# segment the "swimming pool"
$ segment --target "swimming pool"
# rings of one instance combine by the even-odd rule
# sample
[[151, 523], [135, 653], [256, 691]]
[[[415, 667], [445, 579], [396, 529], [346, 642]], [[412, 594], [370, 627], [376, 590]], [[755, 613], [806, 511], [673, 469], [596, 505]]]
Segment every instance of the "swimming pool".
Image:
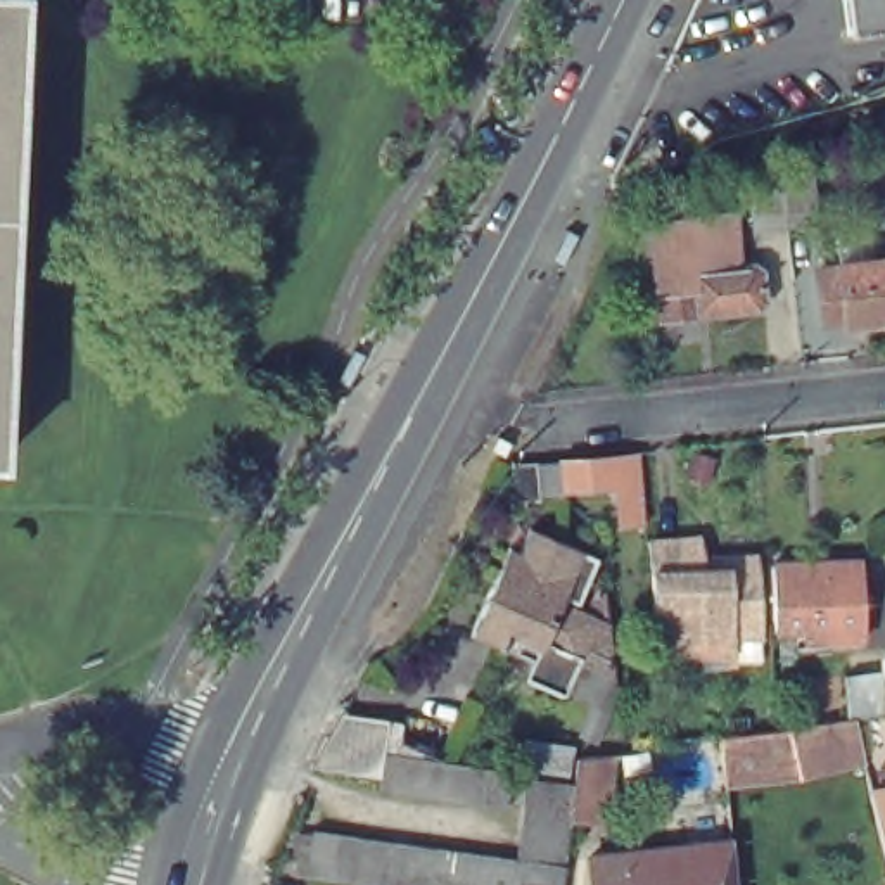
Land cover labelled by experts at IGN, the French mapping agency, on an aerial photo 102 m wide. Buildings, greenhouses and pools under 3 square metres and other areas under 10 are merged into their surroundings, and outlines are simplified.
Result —
[[678, 754], [653, 754], [650, 767], [643, 771], [646, 781], [667, 781], [671, 799], [678, 802], [691, 788], [709, 792], [712, 781], [702, 767]]

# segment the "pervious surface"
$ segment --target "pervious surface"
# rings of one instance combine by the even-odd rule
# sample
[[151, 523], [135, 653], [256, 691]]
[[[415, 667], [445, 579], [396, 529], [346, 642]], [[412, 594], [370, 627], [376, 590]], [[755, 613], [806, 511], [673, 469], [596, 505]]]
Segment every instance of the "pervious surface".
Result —
[[228, 643], [252, 640], [249, 598], [235, 598], [232, 591], [207, 595], [221, 608], [218, 629], [228, 636]]
[[484, 121], [484, 142], [494, 142], [508, 135], [508, 128], [515, 128], [519, 145], [529, 135], [522, 121], [508, 118], [508, 100], [487, 80], [477, 90], [467, 90], [463, 111]]
[[418, 304], [404, 308], [398, 315], [398, 325], [422, 332], [436, 297], [422, 297]]
[[593, 704], [612, 714], [612, 664], [605, 657], [588, 653], [581, 684], [574, 684], [563, 695], [584, 702], [588, 712]]
[[591, 864], [595, 850], [619, 854], [622, 847], [605, 833], [602, 823], [588, 830], [588, 840], [581, 844], [577, 857]]
[[449, 256], [436, 273], [429, 273], [432, 287], [453, 280], [467, 256], [481, 256], [487, 249], [484, 242], [477, 245], [470, 239], [470, 232], [487, 232], [487, 221], [498, 221], [508, 235], [519, 228], [519, 218], [525, 214], [529, 201], [519, 197], [515, 204], [501, 204], [498, 187], [481, 190], [477, 204], [470, 207], [470, 221], [460, 228]]
[[180, 678], [190, 688], [197, 688], [204, 678], [221, 684], [221, 674], [214, 674], [214, 660], [201, 650], [190, 650], [180, 671]]
[[394, 646], [429, 612], [436, 584], [449, 574], [460, 539], [467, 536], [474, 508], [487, 487], [487, 474], [501, 456], [491, 443], [474, 463], [456, 467], [446, 505], [418, 536], [408, 567], [398, 574], [380, 612], [370, 622], [377, 643], [384, 646]]
[[508, 398], [543, 391], [557, 342], [563, 342], [570, 318], [581, 308], [581, 294], [570, 290], [553, 297], [553, 322], [543, 328], [543, 335], [532, 342], [532, 349], [512, 377]]
[[577, 0], [543, 0], [543, 3], [550, 7], [550, 14], [553, 14], [553, 24], [557, 24], [560, 38], [563, 38], [570, 38], [574, 24], [577, 24], [574, 17], [570, 17], [570, 7], [577, 3]]
[[335, 833], [377, 844], [515, 861], [519, 847], [494, 844], [501, 823], [487, 816], [460, 809], [418, 809], [377, 799], [328, 785], [318, 795], [311, 819], [301, 826], [301, 833]]
[[249, 861], [266, 857], [294, 802], [283, 792], [263, 792], [242, 854]]

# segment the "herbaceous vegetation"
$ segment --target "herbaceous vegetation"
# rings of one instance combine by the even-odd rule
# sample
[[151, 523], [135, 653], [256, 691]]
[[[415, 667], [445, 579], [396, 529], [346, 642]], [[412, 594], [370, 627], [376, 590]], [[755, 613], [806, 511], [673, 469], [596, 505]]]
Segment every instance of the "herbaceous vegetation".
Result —
[[750, 678], [750, 709], [733, 716], [729, 726], [736, 736], [785, 733], [778, 723], [764, 719], [774, 709], [781, 681], [799, 681], [809, 688], [816, 705], [816, 726], [844, 723], [847, 712], [847, 681], [861, 674], [878, 674], [885, 664], [885, 650], [868, 643], [847, 653], [802, 657], [792, 667], [778, 671], [767, 660], [747, 664], [740, 671]]
[[588, 743], [577, 729], [567, 729], [557, 747], [570, 747], [577, 761], [622, 757], [626, 774], [643, 771], [650, 767], [653, 754], [653, 740], [615, 740]]
[[187, 474], [187, 463], [218, 456], [221, 443], [214, 439], [214, 422], [228, 408], [225, 398], [207, 408], [176, 408], [166, 418], [149, 404], [114, 401], [111, 391], [97, 394], [90, 384], [80, 384], [73, 377], [76, 290], [69, 283], [45, 280], [45, 263], [52, 225], [62, 225], [76, 207], [73, 173], [83, 156], [83, 93], [90, 100], [104, 100], [114, 90], [121, 90], [131, 97], [128, 104], [135, 111], [149, 111], [169, 97], [187, 93], [232, 142], [235, 159], [263, 159], [256, 183], [273, 187], [277, 201], [273, 218], [263, 225], [263, 280], [277, 294], [277, 301], [256, 332], [239, 339], [235, 366], [249, 377], [266, 373], [270, 353], [277, 346], [301, 342], [328, 328], [353, 256], [377, 225], [387, 201], [401, 190], [404, 169], [391, 159], [391, 135], [404, 128], [404, 100], [411, 93], [404, 86], [377, 83], [370, 76], [370, 52], [356, 52], [353, 41], [342, 48], [339, 59], [322, 59], [301, 80], [259, 83], [245, 69], [239, 69], [235, 76], [197, 76], [190, 69], [190, 59], [180, 59], [176, 69], [166, 69], [162, 62], [118, 59], [104, 35], [86, 41], [83, 14], [90, 0], [35, 0], [38, 52], [17, 481], [0, 477], [0, 709], [7, 716], [17, 716], [21, 709], [52, 705], [62, 698], [97, 698], [104, 691], [138, 695], [162, 657], [162, 646], [176, 619], [187, 608], [190, 591], [201, 584], [214, 557], [214, 546], [225, 529], [218, 512], [204, 498], [204, 474]]
[[702, 484], [691, 477], [691, 460], [698, 456], [691, 443], [684, 443], [671, 453], [653, 453], [653, 443], [636, 439], [629, 456], [640, 456], [643, 467], [646, 529], [622, 532], [619, 591], [622, 622], [636, 615], [652, 622], [653, 539], [702, 539], [709, 570], [729, 574], [747, 567], [747, 557], [761, 557], [764, 636], [774, 633], [771, 567], [792, 563], [792, 543], [809, 532], [809, 522], [802, 508], [802, 491], [809, 449], [795, 439], [771, 439], [764, 446], [764, 460], [757, 460], [747, 449], [747, 443], [723, 443], [719, 463], [716, 477]]
[[574, 529], [563, 525], [570, 515], [567, 505], [574, 498], [560, 498], [550, 512], [536, 519], [536, 532], [591, 557], [598, 543], [584, 543]]
[[736, 830], [736, 844], [740, 885], [885, 885], [885, 861], [875, 830], [875, 812], [868, 802], [868, 792], [875, 788], [868, 771], [861, 767], [854, 767], [854, 774], [805, 785], [729, 792], [729, 826]]
[[660, 156], [657, 162], [667, 180], [688, 176], [698, 138], [681, 135], [667, 145], [678, 149], [678, 159]]
[[767, 353], [764, 318], [723, 318], [709, 325], [709, 342], [678, 342], [678, 349], [671, 353], [678, 373], [719, 370], [740, 353]]
[[712, 138], [705, 138], [716, 156], [726, 156], [736, 169], [747, 173], [764, 162], [771, 142], [761, 138], [750, 145], [716, 145]]
[[574, 360], [581, 384], [598, 384], [608, 370], [605, 349], [612, 346], [612, 339], [595, 322], [584, 332]]
[[356, 778], [335, 771], [328, 785], [377, 799], [384, 788], [380, 778]]
[[857, 560], [864, 550], [861, 543], [868, 539], [871, 515], [885, 508], [885, 432], [850, 432], [850, 429], [840, 429], [830, 439], [833, 446], [823, 463], [823, 491], [830, 508], [840, 515], [844, 532], [844, 543], [826, 553], [830, 560]]
[[885, 211], [885, 176], [861, 187], [819, 180], [816, 190], [816, 194], [875, 207], [875, 214]]
[[636, 214], [622, 218], [619, 225], [615, 221], [595, 228], [605, 259], [622, 263], [629, 256], [646, 256], [650, 235], [657, 232], [646, 218]]

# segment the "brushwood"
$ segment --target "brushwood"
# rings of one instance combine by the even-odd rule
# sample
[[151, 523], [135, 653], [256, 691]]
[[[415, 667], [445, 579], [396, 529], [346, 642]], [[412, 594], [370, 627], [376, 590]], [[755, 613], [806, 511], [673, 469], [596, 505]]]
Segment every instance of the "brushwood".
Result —
[[570, 318], [563, 342], [557, 342], [543, 391], [570, 391], [581, 384], [574, 360], [584, 332], [595, 322], [581, 308]]
[[266, 857], [270, 882], [287, 871], [287, 861], [294, 857], [290, 840], [294, 833], [301, 833], [301, 826], [311, 819], [318, 795], [315, 788], [304, 788], [294, 802]]

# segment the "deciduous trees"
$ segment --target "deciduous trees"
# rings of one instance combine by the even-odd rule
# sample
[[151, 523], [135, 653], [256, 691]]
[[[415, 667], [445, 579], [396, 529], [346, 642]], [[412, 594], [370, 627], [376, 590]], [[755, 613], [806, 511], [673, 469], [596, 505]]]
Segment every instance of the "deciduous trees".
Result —
[[214, 660], [228, 643], [228, 636], [218, 629], [190, 633], [190, 650], [201, 650]]
[[864, 550], [885, 560], [885, 508], [871, 515], [868, 539], [861, 543]]
[[460, 702], [456, 723], [443, 726], [449, 736], [443, 761], [456, 767], [491, 771], [505, 781], [508, 792], [529, 792], [536, 781], [536, 767], [525, 747], [519, 743], [557, 747], [567, 729], [577, 729], [584, 726], [588, 712], [584, 702], [563, 695], [543, 688], [525, 691], [525, 664], [494, 650], [487, 664], [477, 671], [470, 695]]
[[515, 128], [508, 128], [508, 135], [494, 142], [484, 142], [484, 121], [463, 111], [453, 118], [463, 128], [463, 138], [436, 169], [436, 197], [429, 201], [429, 207], [415, 207], [415, 225], [384, 259], [380, 273], [370, 277], [356, 328], [349, 335], [349, 346], [377, 346], [398, 325], [398, 315], [404, 308], [418, 304], [422, 297], [436, 297], [432, 287], [429, 273], [436, 273], [449, 256], [460, 228], [470, 221], [470, 207], [477, 204], [481, 190], [498, 187], [505, 176], [501, 162], [519, 145]]
[[792, 225], [788, 235], [788, 242], [805, 245], [809, 256], [826, 259], [875, 245], [882, 232], [875, 214], [875, 207], [816, 194], [812, 214], [802, 225]]
[[270, 525], [239, 525], [232, 553], [232, 591], [235, 598], [249, 598], [256, 595], [256, 577], [270, 563], [277, 563], [287, 539]]
[[664, 643], [660, 629], [652, 622], [636, 615], [622, 622], [619, 660], [612, 664], [612, 714], [615, 740], [653, 740], [653, 754], [678, 754], [678, 743], [688, 740], [723, 740], [736, 736], [729, 726], [733, 716], [750, 709], [750, 678], [740, 671], [709, 671], [702, 660], [688, 657], [681, 640]]
[[781, 681], [774, 709], [764, 719], [778, 723], [785, 733], [802, 733], [816, 726], [816, 705], [809, 688], [799, 681]]
[[536, 498], [536, 481], [529, 474], [512, 477], [512, 470], [501, 456], [487, 474], [487, 487], [474, 508], [467, 536], [460, 539], [449, 574], [436, 584], [429, 612], [394, 646], [384, 646], [363, 667], [363, 684], [387, 698], [411, 698], [418, 688], [429, 688], [443, 678], [443, 622], [453, 615], [460, 598], [484, 595], [491, 574], [508, 557], [508, 529], [519, 525], [536, 532], [536, 519], [550, 512]]
[[764, 446], [757, 429], [684, 432], [684, 443], [691, 443], [698, 456], [719, 463], [723, 443], [747, 443], [747, 449], [757, 460], [764, 460]]
[[557, 45], [563, 38], [560, 38], [557, 24], [553, 24], [553, 14], [550, 14], [550, 7], [543, 3], [543, 0], [522, 0], [515, 35], [525, 35], [525, 45], [515, 45], [508, 59], [491, 69], [487, 80], [508, 100], [508, 118], [522, 121], [529, 121], [536, 111], [532, 93], [546, 90], [550, 62], [560, 59]]
[[792, 543], [792, 563], [830, 560], [826, 553], [844, 543], [844, 532], [840, 515], [830, 508], [823, 508], [809, 522], [809, 532]]
[[584, 543], [598, 543], [591, 557], [598, 557], [602, 563], [602, 591], [619, 591], [622, 532], [608, 498], [574, 498], [567, 505], [570, 515], [563, 525], [574, 529]]
[[287, 512], [304, 515], [308, 505], [318, 501], [315, 481], [304, 477], [304, 467], [283, 463], [273, 494]]
[[688, 176], [667, 180], [657, 162], [633, 173], [619, 173], [615, 221], [619, 225], [622, 218], [636, 214], [646, 218], [657, 232], [678, 221], [709, 221], [719, 214], [736, 214], [740, 221], [750, 221], [771, 211], [778, 190], [799, 201], [802, 194], [816, 190], [819, 180], [861, 187], [885, 176], [885, 100], [864, 107], [833, 107], [826, 118], [771, 128], [771, 142], [764, 162], [747, 173], [736, 169], [726, 156], [716, 156], [705, 138], [698, 138]]
[[235, 159], [232, 142], [187, 93], [169, 97], [149, 111], [135, 111], [128, 104], [131, 97], [121, 90], [114, 90], [104, 100], [90, 100], [83, 93], [83, 156], [73, 173], [76, 207], [62, 225], [52, 225], [45, 263], [45, 280], [69, 283], [76, 290], [73, 377], [80, 384], [90, 384], [97, 394], [111, 391], [114, 401], [149, 404], [166, 418], [176, 408], [207, 408], [225, 398], [228, 408], [214, 422], [214, 439], [221, 443], [218, 456], [187, 463], [187, 474], [204, 474], [204, 498], [218, 512], [228, 512], [239, 494], [245, 498], [256, 487], [263, 467], [273, 467], [280, 460], [280, 439], [297, 432], [322, 432], [325, 418], [335, 411], [335, 401], [328, 398], [315, 356], [301, 342], [277, 346], [270, 353], [266, 373], [249, 377], [235, 366], [239, 339], [256, 332], [277, 301], [277, 294], [263, 280], [263, 225], [273, 218], [277, 201], [273, 187], [256, 183], [263, 159]]
[[90, 0], [83, 14], [86, 41], [104, 35], [118, 59], [162, 62], [166, 69], [176, 69], [180, 59], [190, 59], [190, 69], [197, 76], [235, 76], [239, 69], [245, 69], [259, 83], [301, 80], [322, 59], [339, 59], [342, 48], [353, 41], [356, 52], [370, 52], [370, 76], [377, 83], [404, 86], [411, 93], [404, 100], [404, 128], [391, 135], [391, 159], [404, 169], [404, 162], [425, 142], [425, 128], [432, 124], [418, 107], [418, 97], [429, 86], [446, 86], [460, 73], [460, 62], [481, 45], [474, 31], [474, 14], [481, 0]]
[[76, 729], [66, 740], [52, 740], [52, 747], [38, 761], [17, 761], [14, 795], [7, 802], [0, 799], [0, 823], [21, 837], [21, 847], [24, 854], [31, 854], [35, 871], [41, 878], [62, 878], [73, 885], [107, 885], [111, 868], [121, 857], [114, 850], [100, 850], [97, 844], [118, 840], [111, 816], [124, 812], [131, 792], [124, 792], [124, 778], [114, 774], [114, 767], [104, 757], [90, 750], [97, 747], [93, 729]]
[[678, 809], [678, 802], [671, 799], [667, 781], [646, 781], [643, 771], [626, 774], [622, 781], [615, 781], [615, 795], [602, 805], [602, 823], [605, 833], [622, 847], [643, 844], [660, 830], [674, 830], [671, 812]]
[[678, 342], [667, 328], [657, 328], [664, 297], [657, 294], [653, 266], [646, 256], [629, 256], [622, 263], [605, 259], [588, 277], [581, 294], [581, 308], [595, 322], [612, 339], [612, 346], [605, 349], [608, 370], [598, 384], [612, 387], [622, 398], [646, 398], [653, 384], [671, 380], [678, 373], [671, 353], [678, 349]]

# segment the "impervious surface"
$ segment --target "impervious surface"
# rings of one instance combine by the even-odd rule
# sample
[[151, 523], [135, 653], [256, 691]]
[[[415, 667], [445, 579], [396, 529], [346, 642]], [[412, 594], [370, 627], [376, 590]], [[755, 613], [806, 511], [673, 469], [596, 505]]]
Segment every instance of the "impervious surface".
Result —
[[73, 885], [62, 878], [41, 878], [35, 871], [31, 854], [24, 854], [21, 847], [21, 837], [0, 823], [0, 885]]
[[844, 723], [857, 726], [864, 750], [861, 767], [868, 771], [875, 788], [885, 788], [885, 712], [878, 712], [868, 723], [864, 716], [847, 712]]
[[[162, 646], [162, 657], [138, 695], [104, 691], [97, 698], [62, 698], [52, 705], [21, 709], [17, 716], [7, 716], [0, 709], [0, 799], [7, 802], [14, 795], [17, 761], [38, 761], [52, 747], [52, 740], [66, 740], [76, 729], [93, 729], [97, 747], [90, 750], [104, 757], [114, 767], [114, 774], [124, 778], [124, 792], [131, 792], [124, 812], [111, 816], [118, 840], [97, 844], [100, 850], [114, 850], [121, 857], [111, 868], [107, 885], [270, 885], [270, 882], [266, 857], [249, 861], [242, 854], [263, 792], [283, 792], [294, 802], [304, 788], [315, 788], [318, 795], [328, 785], [335, 771], [316, 767], [344, 709], [349, 716], [398, 723], [408, 747], [425, 750], [432, 761], [443, 761], [449, 736], [443, 726], [456, 723], [460, 702], [470, 695], [477, 671], [487, 664], [494, 650], [474, 636], [484, 595], [460, 598], [453, 615], [443, 622], [443, 678], [429, 688], [418, 688], [411, 698], [387, 698], [363, 684], [363, 667], [384, 646], [377, 643], [370, 622], [380, 612], [398, 574], [408, 567], [418, 536], [446, 505], [456, 467], [474, 463], [491, 443], [501, 456], [512, 470], [519, 463], [629, 456], [636, 439], [653, 443], [653, 453], [671, 453], [684, 443], [684, 432], [757, 429], [764, 446], [771, 439], [795, 439], [809, 449], [802, 491], [802, 508], [809, 522], [823, 508], [830, 508], [823, 491], [823, 463], [833, 446], [830, 439], [840, 429], [850, 429], [854, 429], [854, 425], [878, 425], [878, 422], [885, 422], [885, 332], [868, 335], [850, 322], [847, 311], [840, 328], [826, 328], [816, 270], [819, 263], [854, 266], [885, 259], [885, 211], [875, 214], [882, 232], [875, 245], [826, 259], [809, 256], [805, 245], [788, 242], [788, 235], [778, 232], [767, 245], [757, 245], [750, 221], [740, 221], [743, 263], [761, 266], [767, 273], [767, 290], [774, 294], [764, 318], [767, 353], [740, 353], [719, 370], [678, 373], [671, 380], [653, 384], [646, 398], [622, 398], [612, 387], [598, 384], [581, 384], [570, 391], [543, 391], [508, 398], [512, 377], [532, 349], [532, 342], [543, 335], [543, 328], [553, 322], [553, 297], [570, 290], [581, 294], [588, 277], [605, 259], [595, 228], [615, 221], [619, 173], [633, 173], [657, 162], [660, 156], [678, 159], [678, 149], [667, 145], [681, 135], [698, 138], [705, 138], [712, 138], [716, 145], [750, 145], [761, 138], [771, 142], [771, 128], [826, 118], [833, 107], [864, 107], [885, 100], [885, 41], [857, 41], [854, 0], [577, 0], [577, 3], [570, 7], [570, 17], [574, 17], [577, 24], [574, 24], [570, 38], [563, 38], [557, 45], [560, 59], [550, 62], [546, 90], [532, 93], [536, 111], [529, 121], [522, 121], [529, 135], [519, 145], [501, 162], [505, 176], [498, 187], [501, 204], [515, 204], [519, 197], [529, 201], [525, 214], [519, 218], [519, 228], [508, 235], [498, 221], [487, 221], [487, 232], [470, 232], [470, 239], [477, 245], [484, 242], [487, 249], [481, 256], [467, 256], [453, 280], [432, 287], [436, 297], [422, 332], [398, 325], [377, 346], [349, 346], [349, 335], [356, 328], [370, 277], [380, 273], [384, 259], [415, 225], [415, 207], [429, 207], [429, 201], [436, 197], [436, 169], [463, 138], [463, 128], [453, 118], [463, 111], [467, 90], [477, 90], [487, 80], [491, 69], [508, 59], [515, 45], [525, 45], [525, 35], [515, 35], [522, 0], [481, 0], [474, 14], [474, 31], [481, 45], [460, 62], [460, 73], [446, 86], [429, 86], [418, 97], [418, 107], [432, 124], [425, 128], [425, 142], [404, 162], [404, 169], [401, 190], [387, 201], [377, 225], [353, 256], [328, 328], [301, 342], [315, 356], [328, 398], [335, 401], [335, 411], [325, 418], [322, 432], [297, 432], [280, 439], [280, 460], [273, 467], [263, 467], [256, 487], [245, 498], [239, 494], [228, 512], [218, 512], [225, 529], [214, 546], [214, 557], [201, 584], [190, 591], [187, 608], [176, 619]], [[283, 463], [304, 467], [304, 477], [315, 481], [318, 501], [308, 505], [304, 515], [287, 512], [273, 494]], [[197, 688], [190, 688], [180, 678], [180, 671], [190, 650], [190, 633], [218, 629], [221, 608], [207, 595], [232, 591], [232, 553], [239, 525], [270, 525], [287, 539], [277, 563], [270, 563], [256, 577], [256, 595], [249, 598], [252, 640], [228, 643], [214, 660], [214, 674], [221, 674], [221, 684], [204, 678]]]
[[729, 792], [723, 788], [723, 740], [688, 740], [678, 743], [678, 754], [702, 767], [712, 781], [709, 792], [691, 788], [678, 802], [678, 809], [671, 812], [674, 830], [660, 830], [643, 844], [646, 850], [736, 844], [736, 830], [729, 826]]
[[885, 650], [885, 560], [864, 550], [857, 560], [868, 574], [868, 643]]

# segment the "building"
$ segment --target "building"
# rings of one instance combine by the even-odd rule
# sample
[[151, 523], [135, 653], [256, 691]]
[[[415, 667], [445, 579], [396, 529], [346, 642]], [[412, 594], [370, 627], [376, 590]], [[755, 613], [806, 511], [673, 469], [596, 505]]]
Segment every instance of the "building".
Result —
[[698, 456], [691, 460], [691, 477], [702, 484], [716, 477], [719, 463]]
[[316, 767], [335, 771], [356, 778], [380, 778], [384, 788], [377, 799], [418, 809], [460, 809], [487, 816], [501, 823], [494, 844], [519, 847], [515, 861], [377, 844], [335, 833], [301, 833], [294, 833], [290, 840], [294, 857], [287, 861], [287, 871], [270, 882], [270, 885], [740, 885], [736, 844], [646, 850], [643, 844], [622, 847], [619, 854], [595, 850], [591, 864], [577, 857], [581, 844], [588, 840], [588, 830], [602, 823], [602, 805], [615, 795], [615, 781], [622, 781], [626, 774], [622, 757], [577, 761], [570, 747], [557, 747], [519, 743], [525, 747], [536, 767], [536, 781], [529, 792], [508, 792], [505, 781], [491, 771], [456, 767], [443, 761], [432, 761], [425, 750], [408, 747], [398, 723], [349, 716], [344, 709]]
[[857, 560], [830, 560], [792, 563], [771, 567], [774, 633], [764, 636], [761, 557], [747, 557], [747, 567], [729, 574], [709, 570], [702, 539], [653, 539], [652, 622], [660, 629], [664, 643], [681, 640], [688, 657], [702, 660], [709, 671], [740, 671], [747, 664], [767, 660], [778, 671], [792, 667], [802, 657], [847, 653], [868, 643], [868, 574]]
[[868, 802], [875, 812], [875, 830], [885, 861], [885, 788], [875, 788], [868, 792]]
[[719, 214], [709, 221], [678, 221], [657, 232], [650, 235], [646, 256], [653, 266], [657, 294], [664, 297], [657, 328], [667, 328], [678, 342], [709, 342], [709, 325], [723, 318], [764, 318], [774, 294], [767, 290], [767, 273], [761, 266], [743, 263], [740, 221], [736, 214]]
[[757, 245], [767, 245], [778, 232], [788, 235], [792, 225], [802, 225], [812, 214], [816, 194], [816, 190], [802, 194], [799, 201], [778, 190], [771, 211], [750, 221]]
[[543, 688], [563, 695], [574, 684], [581, 684], [588, 653], [605, 657], [612, 664], [619, 660], [622, 622], [619, 591], [602, 591], [602, 563], [598, 557], [591, 557], [536, 532], [519, 525], [508, 529], [508, 557], [491, 574], [484, 595], [474, 636], [494, 650], [525, 664], [525, 691]]
[[857, 41], [885, 41], [885, 0], [854, 0]]
[[588, 743], [615, 740], [612, 714], [593, 704], [588, 712], [584, 726], [577, 729]]
[[847, 681], [847, 712], [864, 716], [868, 723], [878, 712], [885, 712], [885, 664], [878, 674], [861, 674]]
[[844, 723], [816, 726], [802, 733], [785, 733], [736, 736], [723, 740], [723, 788], [729, 792], [805, 785], [854, 774], [854, 767], [861, 767], [864, 750], [857, 726]]
[[878, 422], [878, 425], [854, 425], [854, 429], [850, 429], [850, 432], [885, 432], [885, 422]]
[[816, 270], [826, 328], [840, 328], [847, 311], [850, 322], [868, 335], [885, 332], [885, 259], [854, 266], [819, 263]]
[[536, 481], [536, 498], [550, 512], [560, 498], [574, 498], [608, 498], [622, 532], [646, 529], [643, 467], [640, 456], [629, 456], [519, 463], [512, 470], [512, 477], [529, 474]]
[[0, 477], [17, 481], [38, 52], [35, 0], [0, 0]]

